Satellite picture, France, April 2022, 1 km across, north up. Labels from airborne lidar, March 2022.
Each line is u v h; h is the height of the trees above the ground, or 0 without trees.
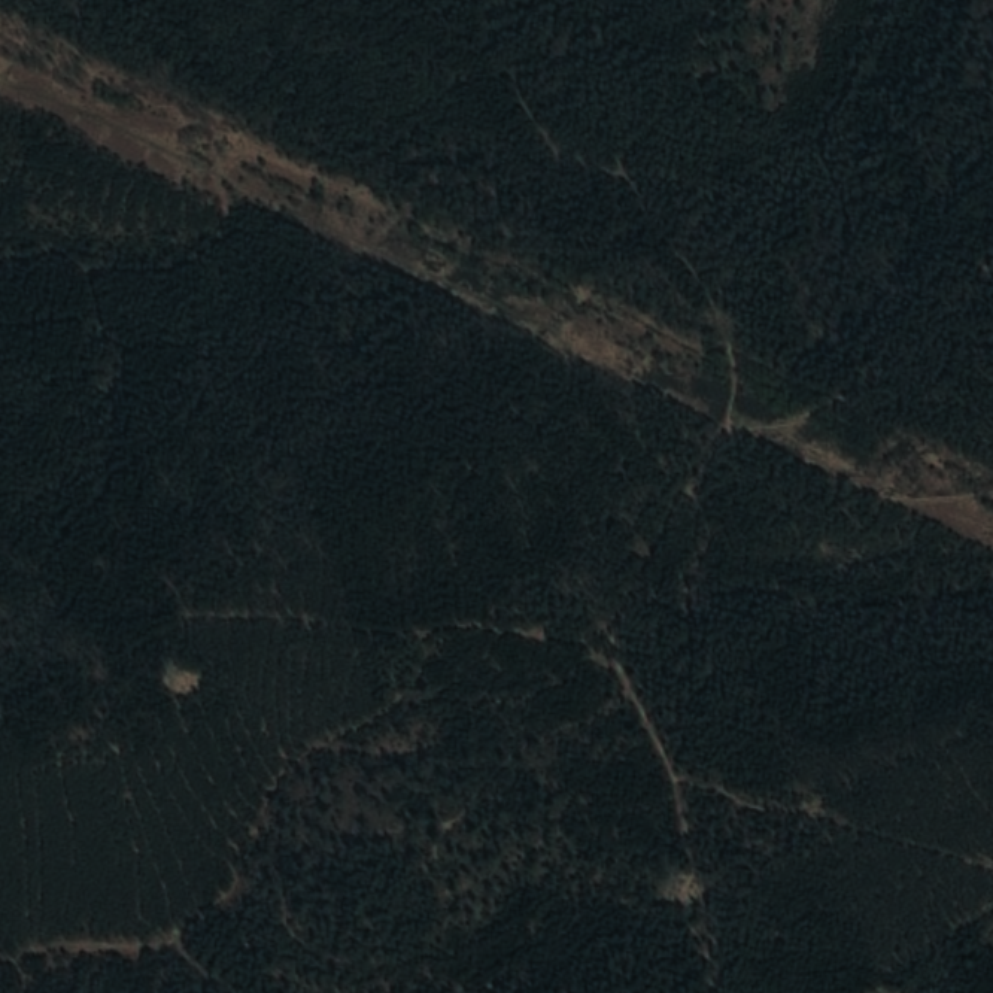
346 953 25
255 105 21
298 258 17
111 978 11
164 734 15
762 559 12
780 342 22
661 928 18
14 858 20
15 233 9
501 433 23
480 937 12
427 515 20
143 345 15
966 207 16
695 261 28
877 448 12
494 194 21
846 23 7
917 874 20
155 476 17
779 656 20
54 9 19
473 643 8
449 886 23
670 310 13
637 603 18
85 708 23
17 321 23
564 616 22
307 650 17
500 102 23
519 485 20
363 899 23
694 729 18
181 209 7
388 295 8
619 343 0
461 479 20
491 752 8
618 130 22
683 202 33
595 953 13
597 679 10
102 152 11
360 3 24
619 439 20
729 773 20
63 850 18
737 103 21
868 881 17
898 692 23
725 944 18
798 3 0
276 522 20
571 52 7
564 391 21
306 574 21
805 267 22
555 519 21
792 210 30
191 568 26
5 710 16
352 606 23
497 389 24
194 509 18
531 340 13
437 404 23
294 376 24
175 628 24
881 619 29
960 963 24
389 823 23
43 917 19
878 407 19
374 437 21
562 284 10
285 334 20
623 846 8
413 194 16
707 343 10
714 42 25
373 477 26
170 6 27
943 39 27
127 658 19
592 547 26
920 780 17
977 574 20
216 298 13
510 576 23
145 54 22
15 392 21
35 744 17
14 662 21
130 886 18
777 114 9
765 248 32
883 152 27
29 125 12
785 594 17
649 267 26
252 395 24
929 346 24
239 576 23
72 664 21
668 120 24
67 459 24
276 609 17
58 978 6
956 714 22
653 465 24
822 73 9
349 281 26
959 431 12
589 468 23
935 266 24
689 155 26
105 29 16
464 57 24
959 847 19
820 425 11
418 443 23
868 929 20
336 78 17
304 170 0
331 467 22
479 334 21
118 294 19
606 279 20
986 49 29
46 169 8
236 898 0
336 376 28
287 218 6
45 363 17
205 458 20
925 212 15
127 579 18
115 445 27
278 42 20
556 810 26
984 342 23
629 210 24
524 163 23
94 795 16
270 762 21
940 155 18
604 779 9
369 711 18
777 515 15
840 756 18
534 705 8
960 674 15
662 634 6
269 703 17
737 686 25
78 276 23
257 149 0
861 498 21
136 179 10
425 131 19
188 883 16
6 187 10
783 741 20
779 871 21
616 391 21
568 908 11
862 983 21
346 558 16
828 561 7
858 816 16
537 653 11
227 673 20
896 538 18
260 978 26
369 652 13
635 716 10
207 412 23
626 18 20
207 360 17
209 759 16
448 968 11
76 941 12
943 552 19
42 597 21
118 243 11
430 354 25
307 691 19
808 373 23
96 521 30
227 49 18
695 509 17
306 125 21
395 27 20
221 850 19
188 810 17
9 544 25
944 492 0
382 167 14
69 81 16
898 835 17
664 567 21
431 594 19
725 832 14
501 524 16
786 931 24
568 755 8
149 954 13
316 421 24
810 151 31
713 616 22
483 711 10
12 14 24
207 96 19
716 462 15
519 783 7
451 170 24
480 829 13
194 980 24
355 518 25
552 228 28
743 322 21
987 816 17
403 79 19
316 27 22
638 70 27
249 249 15
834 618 30
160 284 15
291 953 8
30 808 15
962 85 23
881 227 26
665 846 9
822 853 20
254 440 20
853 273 27
